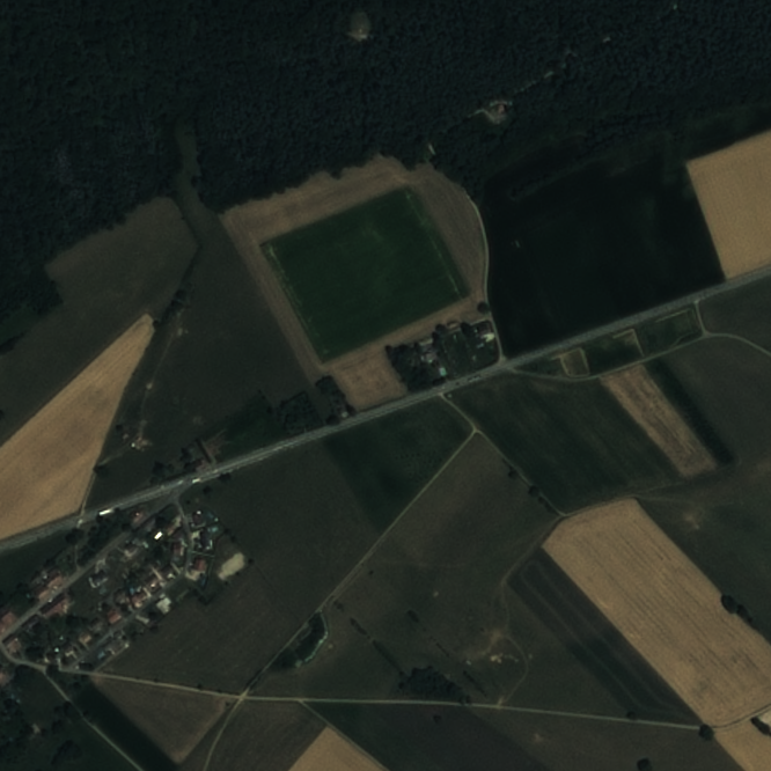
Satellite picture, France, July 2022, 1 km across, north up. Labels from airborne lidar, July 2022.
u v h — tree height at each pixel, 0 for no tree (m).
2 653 0
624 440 0
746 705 0
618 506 0
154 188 23
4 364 0
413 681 8
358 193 0
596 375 0
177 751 0
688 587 0
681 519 0
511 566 0
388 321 0
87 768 0
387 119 26
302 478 0
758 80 29
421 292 0
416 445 0
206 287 0
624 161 0
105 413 0
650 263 0
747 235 0
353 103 29
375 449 0
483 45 19
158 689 0
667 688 0
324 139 28
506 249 0
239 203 23
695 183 0
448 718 0
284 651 0
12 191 26
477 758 0
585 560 0
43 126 20
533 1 22
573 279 0
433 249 0
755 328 0
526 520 0
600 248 0
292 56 18
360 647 0
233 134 27
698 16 27
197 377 0
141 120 30
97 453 0
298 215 0
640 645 0
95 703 0
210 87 22
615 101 24
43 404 0
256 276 0
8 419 0
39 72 25
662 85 26
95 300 0
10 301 9
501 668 0
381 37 23
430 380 7
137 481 0
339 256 0
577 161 5
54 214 22
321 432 0
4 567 0
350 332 0
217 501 0
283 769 0
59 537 0
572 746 0
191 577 0
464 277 0
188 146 0
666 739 0
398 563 0
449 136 8
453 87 26
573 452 0
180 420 0
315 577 0
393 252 0
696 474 0
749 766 0
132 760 0
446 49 24
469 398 0
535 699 0
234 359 0
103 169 29
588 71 24
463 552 0
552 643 0
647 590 0
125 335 0
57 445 0
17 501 0
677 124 24
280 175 25
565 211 0
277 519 0
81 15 21
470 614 0
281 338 0
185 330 0
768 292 0
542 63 24
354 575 0
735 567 0
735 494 0
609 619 0
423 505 0
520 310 0
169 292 0
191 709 0
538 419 0
